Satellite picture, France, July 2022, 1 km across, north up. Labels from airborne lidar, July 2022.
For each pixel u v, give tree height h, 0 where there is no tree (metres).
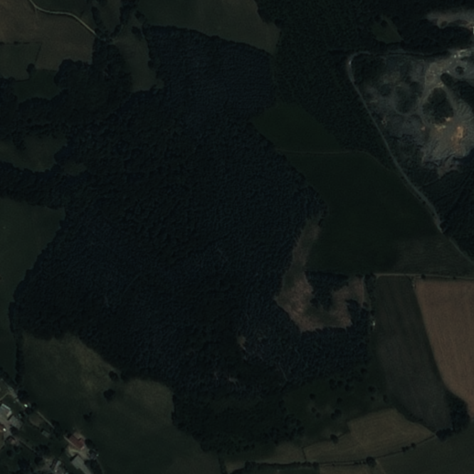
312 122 0
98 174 17
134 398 0
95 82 24
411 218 0
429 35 20
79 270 19
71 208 23
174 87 24
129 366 22
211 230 21
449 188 7
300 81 9
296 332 17
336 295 0
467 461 0
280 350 19
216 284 23
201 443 14
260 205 20
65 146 0
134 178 31
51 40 0
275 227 19
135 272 25
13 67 0
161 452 0
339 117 7
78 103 24
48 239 0
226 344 24
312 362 19
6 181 17
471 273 0
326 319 0
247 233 26
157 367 17
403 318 0
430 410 0
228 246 21
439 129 0
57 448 0
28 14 0
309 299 0
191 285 25
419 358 0
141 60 0
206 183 21
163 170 30
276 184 21
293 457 0
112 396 21
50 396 0
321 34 7
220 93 23
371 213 0
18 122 20
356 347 14
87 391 0
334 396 0
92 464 17
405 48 17
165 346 21
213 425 5
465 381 0
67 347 0
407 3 22
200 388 21
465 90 10
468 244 7
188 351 16
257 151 20
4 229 0
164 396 0
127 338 20
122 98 15
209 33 0
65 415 0
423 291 0
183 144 28
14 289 0
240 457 0
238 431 7
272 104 21
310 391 0
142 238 26
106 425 0
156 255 25
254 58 25
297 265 0
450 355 0
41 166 0
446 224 13
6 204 0
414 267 0
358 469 0
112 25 0
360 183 0
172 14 0
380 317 0
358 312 21
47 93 0
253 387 21
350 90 10
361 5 21
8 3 0
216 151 23
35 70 15
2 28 0
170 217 31
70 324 24
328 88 7
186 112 25
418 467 0
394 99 0
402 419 0
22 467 28
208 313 18
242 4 0
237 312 19
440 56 11
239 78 27
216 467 0
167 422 0
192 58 20
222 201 20
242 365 19
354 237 0
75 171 0
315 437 0
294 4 7
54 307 28
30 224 0
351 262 0
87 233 22
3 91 28
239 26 0
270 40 0
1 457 0
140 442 0
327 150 0
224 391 23
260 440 6
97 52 10
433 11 6
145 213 30
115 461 0
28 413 19
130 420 0
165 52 24
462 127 0
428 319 0
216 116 16
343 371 10
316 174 0
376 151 7
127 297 21
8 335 0
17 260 0
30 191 19
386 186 0
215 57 24
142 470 0
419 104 0
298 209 19
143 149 24
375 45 22
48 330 23
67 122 30
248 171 21
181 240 26
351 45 6
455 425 17
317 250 0
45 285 20
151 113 27
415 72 0
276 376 20
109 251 21
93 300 26
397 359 0
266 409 6
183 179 29
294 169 13
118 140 14
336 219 0
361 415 0
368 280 16
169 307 23
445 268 0
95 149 32
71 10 0
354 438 0
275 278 19
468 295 0
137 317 20
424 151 0
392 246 0
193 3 0
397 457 0
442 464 0
